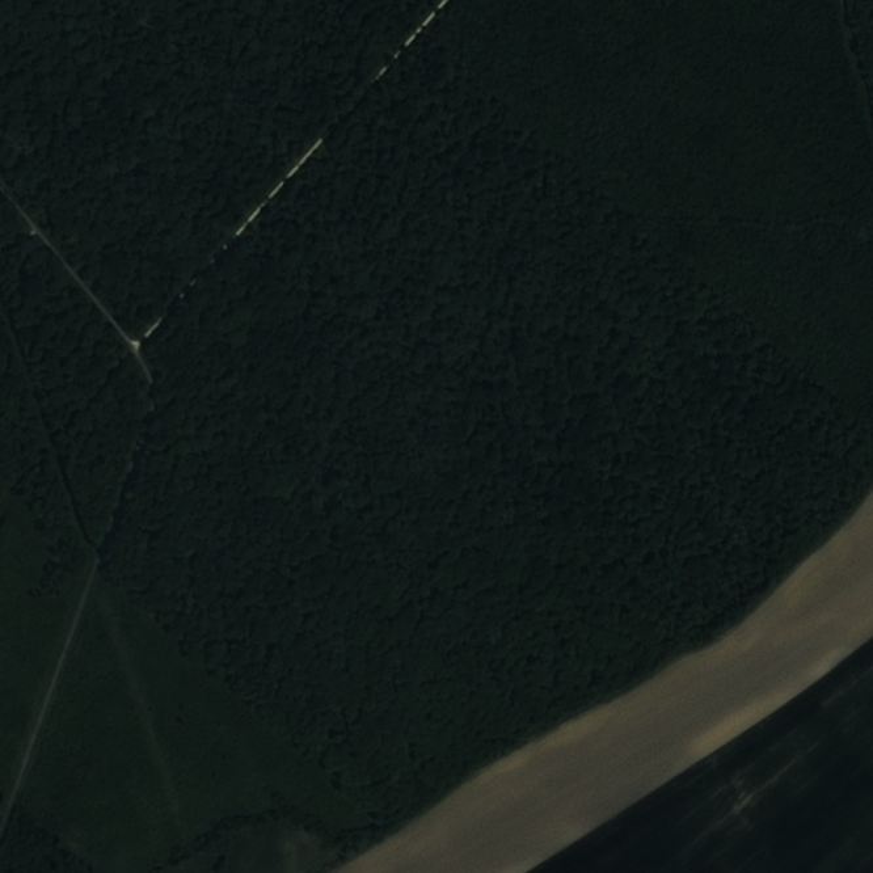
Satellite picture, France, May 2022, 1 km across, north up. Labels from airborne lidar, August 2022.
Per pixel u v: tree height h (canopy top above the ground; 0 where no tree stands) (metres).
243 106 21
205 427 23
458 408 20
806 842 0
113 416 22
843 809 0
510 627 24
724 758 0
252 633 21
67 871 10
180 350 23
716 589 21
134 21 25
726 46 11
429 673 23
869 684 0
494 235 16
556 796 0
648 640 22
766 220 12
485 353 25
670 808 0
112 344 18
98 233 22
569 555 21
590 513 21
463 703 23
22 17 27
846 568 0
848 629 0
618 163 14
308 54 22
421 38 14
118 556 27
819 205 14
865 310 12
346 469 25
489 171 23
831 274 13
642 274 26
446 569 24
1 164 24
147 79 23
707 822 0
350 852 21
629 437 21
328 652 20
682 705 0
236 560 23
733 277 13
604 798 0
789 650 0
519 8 10
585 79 13
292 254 28
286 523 26
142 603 24
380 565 20
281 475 27
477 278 8
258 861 0
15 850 12
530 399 25
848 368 15
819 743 0
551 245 25
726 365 25
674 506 19
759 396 19
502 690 25
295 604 21
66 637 0
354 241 21
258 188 20
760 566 22
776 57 11
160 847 0
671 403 21
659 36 11
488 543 23
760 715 0
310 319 25
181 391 23
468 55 13
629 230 21
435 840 0
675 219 13
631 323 23
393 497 22
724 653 0
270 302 25
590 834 0
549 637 23
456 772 21
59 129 24
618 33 12
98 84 15
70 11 19
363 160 24
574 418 22
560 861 0
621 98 13
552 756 0
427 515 24
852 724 0
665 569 23
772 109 10
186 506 25
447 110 14
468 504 26
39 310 21
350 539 27
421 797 20
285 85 27
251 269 26
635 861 0
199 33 22
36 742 0
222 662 17
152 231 18
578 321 24
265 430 22
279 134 20
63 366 26
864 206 14
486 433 21
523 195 23
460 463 22
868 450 20
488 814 0
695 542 22
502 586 23
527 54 11
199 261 26
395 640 19
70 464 22
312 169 14
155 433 19
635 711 0
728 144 13
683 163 12
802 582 0
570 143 13
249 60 25
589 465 26
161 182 29
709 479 21
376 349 20
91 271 27
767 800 0
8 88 24
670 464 26
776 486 20
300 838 0
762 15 9
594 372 15
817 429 19
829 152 11
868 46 21
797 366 11
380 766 26
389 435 16
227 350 26
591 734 0
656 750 0
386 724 25
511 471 23
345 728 17
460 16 12
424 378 23
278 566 25
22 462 21
